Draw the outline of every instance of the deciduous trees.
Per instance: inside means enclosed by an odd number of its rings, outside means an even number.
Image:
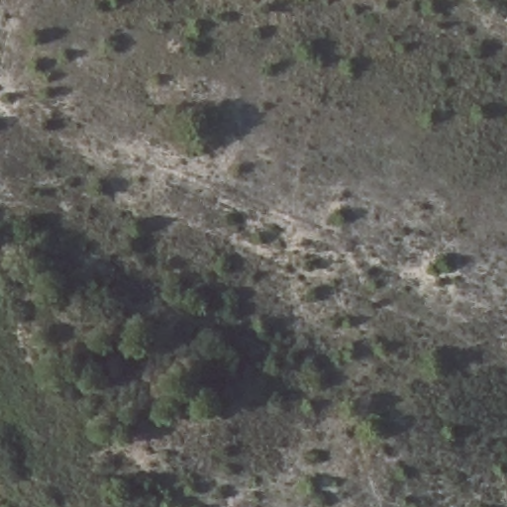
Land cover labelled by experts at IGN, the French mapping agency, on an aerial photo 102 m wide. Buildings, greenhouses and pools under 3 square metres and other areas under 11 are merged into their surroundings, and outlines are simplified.
[[[259,242],[263,246],[271,244],[273,248],[285,248],[287,244],[283,240],[283,228],[271,224],[267,230],[259,232]]]
[[[331,267],[329,257],[305,255],[305,265],[311,271]]]
[[[240,234],[246,228],[248,220],[242,212],[230,212],[228,224],[234,226]]]
[[[190,269],[190,261],[184,257],[172,257],[168,269],[162,263],[147,265],[133,250],[133,246],[115,255],[109,255],[109,261],[95,259],[91,253],[95,252],[99,244],[89,240],[79,230],[63,228],[61,212],[28,216],[14,214],[8,222],[12,226],[14,238],[10,246],[4,246],[0,261],[0,295],[6,293],[6,281],[14,279],[24,283],[28,293],[26,301],[32,301],[36,305],[34,323],[42,329],[46,343],[53,345],[55,353],[75,353],[73,360],[77,364],[81,364],[83,368],[91,368],[91,382],[95,384],[93,394],[81,394],[81,400],[91,402],[91,416],[101,414],[107,418],[119,408],[127,408],[131,416],[137,410],[147,410],[151,414],[152,424],[170,426],[170,422],[180,422],[188,418],[196,422],[196,418],[230,418],[244,408],[255,410],[259,406],[267,406],[271,394],[281,396],[287,388],[293,388],[279,376],[273,376],[277,366],[273,358],[265,356],[269,347],[255,337],[252,315],[255,313],[255,291],[250,287],[224,285],[218,281],[218,275],[214,271],[196,273]]]
[[[192,121],[192,113],[184,109],[172,113],[170,131],[178,139],[178,143],[184,143],[184,154],[204,156],[198,131]]]
[[[321,374],[311,358],[305,358],[301,364],[299,386],[307,392],[317,392],[321,384]]]

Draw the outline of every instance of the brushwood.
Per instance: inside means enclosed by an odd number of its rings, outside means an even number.
[[[34,323],[36,305],[32,301],[26,301],[28,293],[24,283],[14,279],[6,281],[6,293],[0,295],[0,507],[194,507],[198,499],[184,495],[180,487],[176,487],[176,473],[143,471],[139,463],[129,459],[133,454],[135,442],[164,438],[176,430],[174,426],[170,426],[152,424],[151,414],[147,410],[137,410],[131,416],[127,408],[119,408],[107,418],[101,414],[91,416],[91,402],[81,400],[81,394],[93,394],[95,384],[91,382],[91,368],[83,368],[81,364],[77,364],[73,360],[75,353],[55,353],[53,345],[46,343],[42,329]]]
[[[497,14],[507,18],[507,0],[477,0],[479,8],[483,8],[485,12],[495,8]]]
[[[400,481],[404,477],[418,477],[422,473],[446,475],[461,489],[461,493],[467,495],[469,477],[473,473],[483,473],[493,465],[499,465],[507,477],[507,368],[489,366],[487,370],[477,370],[475,374],[469,372],[467,376],[459,372],[446,374],[442,368],[436,368],[436,358],[430,351],[422,351],[418,362],[420,378],[410,384],[412,398],[418,406],[418,410],[412,414],[414,424],[410,432],[402,432],[396,438],[376,436],[374,442],[360,444],[356,436],[347,436],[347,426],[341,418],[325,418],[319,426],[313,428],[307,428],[303,422],[295,422],[295,430],[301,432],[301,444],[295,450],[281,448],[279,454],[283,457],[283,471],[301,459],[305,459],[305,463],[323,463],[329,459],[347,459],[351,463],[343,477],[329,473],[317,473],[311,477],[313,491],[303,497],[303,505],[313,505],[321,497],[323,507],[382,507],[382,497],[390,493],[390,479],[394,477]]]
[[[4,206],[0,206],[0,261],[4,246],[10,246],[14,238],[12,226],[8,222],[4,220]]]
[[[216,483],[232,485],[236,489],[236,495],[228,497],[228,503],[224,507],[236,507],[242,501],[265,499],[265,493],[255,491],[255,481],[246,473],[238,475],[216,471]]]

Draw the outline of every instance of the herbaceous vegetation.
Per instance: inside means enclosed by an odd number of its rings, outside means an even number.
[[[382,497],[382,507],[507,507],[507,477],[499,465],[493,465],[483,473],[473,473],[469,477],[467,495],[461,493],[461,489],[446,475],[422,473],[418,477],[404,477],[400,481],[394,477],[390,479],[390,493]]]
[[[204,156],[184,154],[184,143],[178,143],[178,139],[170,131],[172,113],[184,109],[192,113],[192,121],[198,131]],[[224,285],[250,287],[255,291],[255,313],[252,315],[255,337],[269,347],[265,356],[273,358],[277,366],[273,376],[279,376],[293,388],[287,388],[281,396],[271,394],[267,406],[259,406],[255,410],[244,408],[230,418],[196,418],[196,422],[188,418],[180,422],[170,422],[170,426],[174,426],[176,430],[164,438],[135,442],[133,454],[129,459],[139,463],[143,471],[176,473],[176,487],[180,487],[184,495],[198,499],[194,507],[224,507],[228,503],[228,497],[236,495],[236,489],[232,485],[216,483],[216,471],[238,475],[246,473],[255,481],[255,491],[265,493],[265,499],[242,501],[236,507],[323,507],[321,497],[313,505],[303,505],[303,497],[313,491],[311,477],[317,473],[329,473],[343,477],[351,463],[347,459],[329,459],[323,463],[305,463],[305,459],[301,459],[283,471],[283,457],[279,454],[281,448],[295,450],[301,444],[301,432],[295,430],[295,422],[303,422],[307,428],[313,428],[319,426],[325,418],[341,418],[347,426],[347,436],[356,436],[360,444],[374,442],[376,436],[396,438],[402,432],[410,432],[414,424],[412,414],[418,410],[418,406],[412,398],[410,384],[420,378],[418,362],[422,351],[430,351],[436,358],[436,368],[442,368],[446,374],[459,372],[467,376],[469,372],[475,374],[477,370],[487,370],[489,366],[507,368],[507,18],[497,14],[495,8],[485,12],[483,8],[479,8],[477,0],[0,0],[0,206],[4,206],[4,220],[8,222],[14,214],[28,216],[61,212],[63,228],[79,230],[89,240],[99,244],[95,252],[91,253],[95,259],[109,261],[109,255],[115,255],[133,246],[133,250],[147,265],[162,263],[168,269],[172,257],[184,257],[190,261],[190,269],[196,273],[214,271],[218,275],[218,281]],[[228,224],[230,212],[242,212],[248,220],[246,228],[240,234],[234,226]],[[287,244],[285,248],[273,248],[271,244],[263,246],[259,242],[259,232],[267,230],[271,224],[283,228],[283,240]],[[305,255],[329,257],[331,267],[311,271],[305,265]],[[299,386],[301,364],[305,358],[311,358],[321,374],[321,384],[317,392],[307,392]]]

